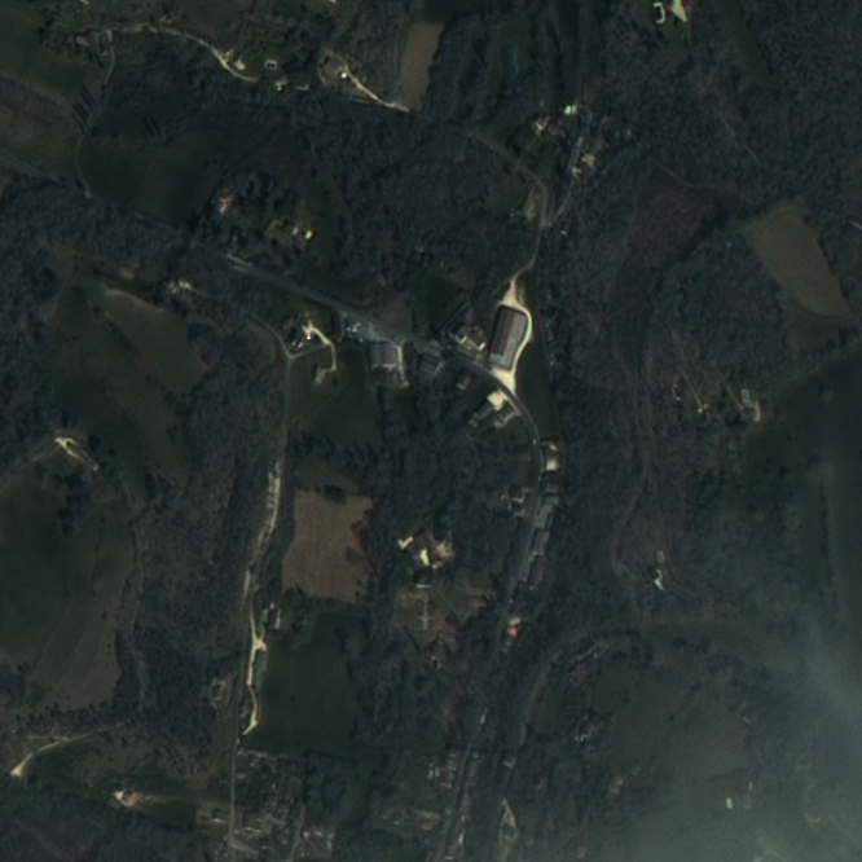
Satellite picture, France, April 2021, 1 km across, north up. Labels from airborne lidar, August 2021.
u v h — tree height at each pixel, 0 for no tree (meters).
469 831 9
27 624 0
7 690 17
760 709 19
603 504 11
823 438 0
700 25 17
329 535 0
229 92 12
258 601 7
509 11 9
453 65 21
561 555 15
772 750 7
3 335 20
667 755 0
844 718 0
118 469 11
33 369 22
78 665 0
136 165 0
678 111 24
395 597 23
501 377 0
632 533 10
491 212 6
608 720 9
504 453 16
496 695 22
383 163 14
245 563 11
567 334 14
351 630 0
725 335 21
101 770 7
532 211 0
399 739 19
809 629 15
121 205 0
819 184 13
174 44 7
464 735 17
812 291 0
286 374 10
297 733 0
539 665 17
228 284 18
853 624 0
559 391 17
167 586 12
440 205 24
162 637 22
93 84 0
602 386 10
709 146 25
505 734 22
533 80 18
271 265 11
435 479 17
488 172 22
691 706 0
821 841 13
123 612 13
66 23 8
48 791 12
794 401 0
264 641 7
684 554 14
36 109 30
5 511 0
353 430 0
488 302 18
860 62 19
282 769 10
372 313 12
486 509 22
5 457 22
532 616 20
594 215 23
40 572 0
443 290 0
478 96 25
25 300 17
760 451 0
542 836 6
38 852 19
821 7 22
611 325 9
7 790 20
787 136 18
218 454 12
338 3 8
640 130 12
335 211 0
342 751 0
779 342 24
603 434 15
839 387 0
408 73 0
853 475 0
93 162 0
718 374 8
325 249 0
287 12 6
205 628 14
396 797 21
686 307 19
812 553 0
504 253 18
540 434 0
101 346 0
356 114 21
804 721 19
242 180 11
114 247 21
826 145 23
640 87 19
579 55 18
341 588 0
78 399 0
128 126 0
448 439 23
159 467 8
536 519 0
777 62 17
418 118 19
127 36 9
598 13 0
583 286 13
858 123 13
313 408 0
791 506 16
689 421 11
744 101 7
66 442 0
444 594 32
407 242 17
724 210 8
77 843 17
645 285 8
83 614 0
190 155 0
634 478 16
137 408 0
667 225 5
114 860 20
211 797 0
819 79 10
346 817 0
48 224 23
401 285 19
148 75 12
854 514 0
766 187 16
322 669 0
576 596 21
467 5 0
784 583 14
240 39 11
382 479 20
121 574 0
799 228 0
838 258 14
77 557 0
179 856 10
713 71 22
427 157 23
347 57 14
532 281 0
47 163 0
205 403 15
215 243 18
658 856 0
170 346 0
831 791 14
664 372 15
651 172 13
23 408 20
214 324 7
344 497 11
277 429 9
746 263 21
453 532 12
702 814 0
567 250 13
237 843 0
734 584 21
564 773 15
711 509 11
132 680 15
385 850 15
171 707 19
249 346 14
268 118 12
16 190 12
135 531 12
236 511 16
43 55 0
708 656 15
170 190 0
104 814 17
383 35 16
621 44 17
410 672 13
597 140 14
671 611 20
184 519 14
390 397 17
